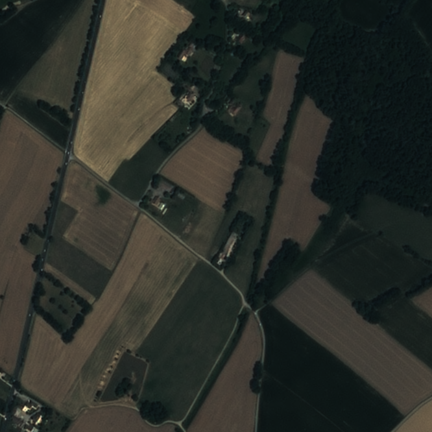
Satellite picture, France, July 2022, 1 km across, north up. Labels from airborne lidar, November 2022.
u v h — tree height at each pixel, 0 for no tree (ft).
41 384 0
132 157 0
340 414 0
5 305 0
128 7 0
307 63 44
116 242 0
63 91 0
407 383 0
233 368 0
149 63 0
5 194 0
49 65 0
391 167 71
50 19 0
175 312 0
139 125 0
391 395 0
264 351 0
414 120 66
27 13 0
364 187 55
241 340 0
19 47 0
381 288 0
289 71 0
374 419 0
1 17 58
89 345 0
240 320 36
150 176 0
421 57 51
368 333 0
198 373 0
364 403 0
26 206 0
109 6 0
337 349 0
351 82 87
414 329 0
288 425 0
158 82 0
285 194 0
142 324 0
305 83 35
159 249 0
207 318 0
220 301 0
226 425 0
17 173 0
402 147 73
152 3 0
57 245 0
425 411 0
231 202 57
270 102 0
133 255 0
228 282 0
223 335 0
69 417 0
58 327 58
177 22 0
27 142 0
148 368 0
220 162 0
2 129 0
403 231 0
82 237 0
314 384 0
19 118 0
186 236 0
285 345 0
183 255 0
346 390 0
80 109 0
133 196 0
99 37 0
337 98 73
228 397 0
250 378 0
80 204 0
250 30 70
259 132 0
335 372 0
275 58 0
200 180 0
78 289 0
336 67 52
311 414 0
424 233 0
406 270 0
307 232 0
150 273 0
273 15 60
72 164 0
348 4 0
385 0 58
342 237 0
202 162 0
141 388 0
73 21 0
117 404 0
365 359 0
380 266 0
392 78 66
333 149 80
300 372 0
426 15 0
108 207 0
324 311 0
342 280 0
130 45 0
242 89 0
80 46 0
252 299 38
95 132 0
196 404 0
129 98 0
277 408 0
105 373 0
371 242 0
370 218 0
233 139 72
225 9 0
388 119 73
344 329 0
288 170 0
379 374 0
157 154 0
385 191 56
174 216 0
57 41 0
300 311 0
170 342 0
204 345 0
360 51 38
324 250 0
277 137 0
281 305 0
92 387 0
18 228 0
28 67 0
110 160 0
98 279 0
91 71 0
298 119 0
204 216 0
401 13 74
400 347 0
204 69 0
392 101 68
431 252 0
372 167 28
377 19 0
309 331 0
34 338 0
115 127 0
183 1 0
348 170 20
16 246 0
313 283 0
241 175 64
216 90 28
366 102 58
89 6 0
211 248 0
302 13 77
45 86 0
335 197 21
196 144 0
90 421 0
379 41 83
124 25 0
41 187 0
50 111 33
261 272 0
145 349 0
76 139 0
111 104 0
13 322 0
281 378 0
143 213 0
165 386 0
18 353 0
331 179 77
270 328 0
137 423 0
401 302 0
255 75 0
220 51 52
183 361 0
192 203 0
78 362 0
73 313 0
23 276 0
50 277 60
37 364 0
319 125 0
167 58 57
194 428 0
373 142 78
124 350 0
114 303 0
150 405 42
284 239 0
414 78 54
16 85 0
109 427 0
